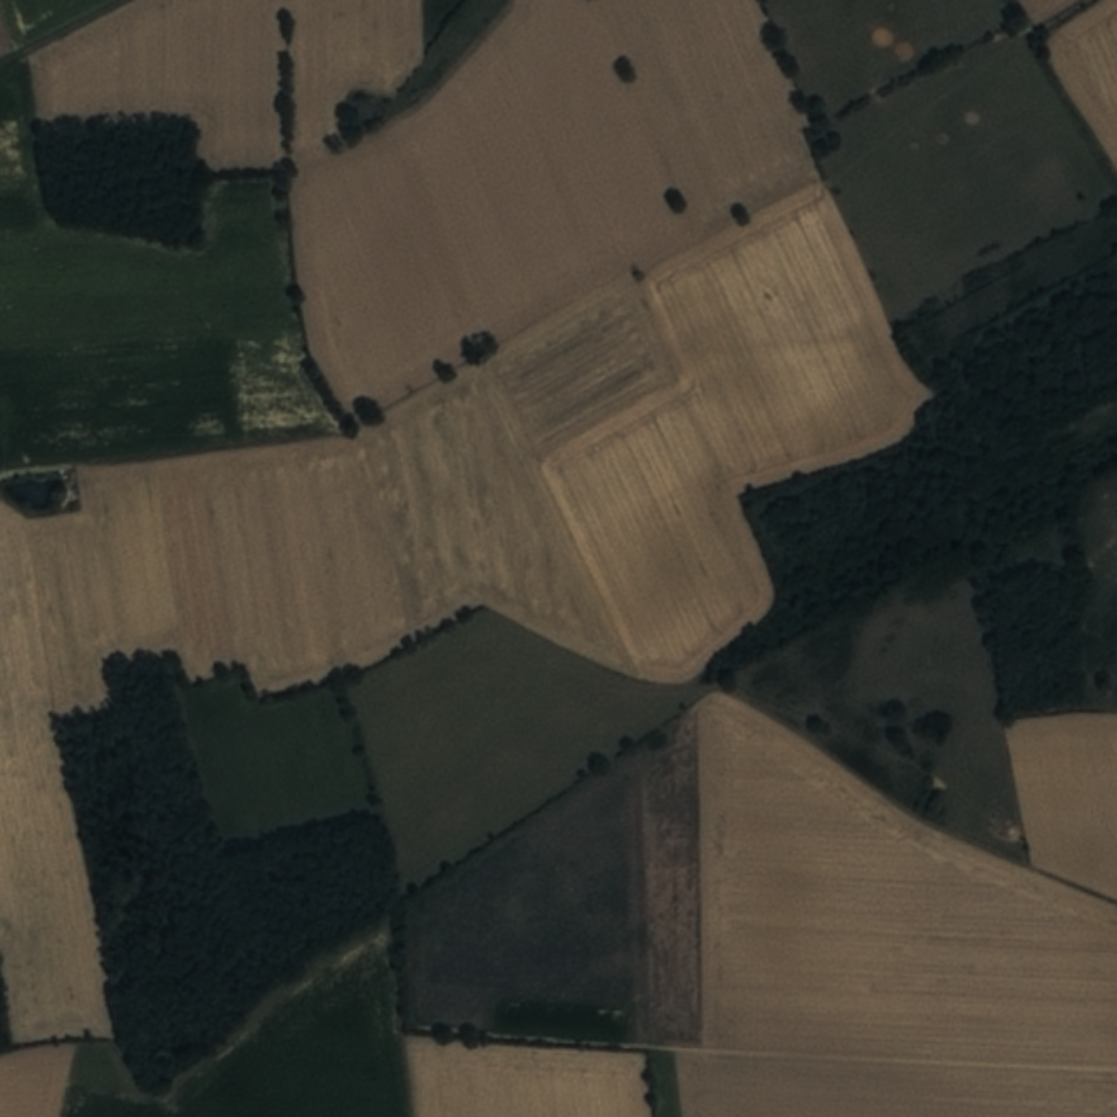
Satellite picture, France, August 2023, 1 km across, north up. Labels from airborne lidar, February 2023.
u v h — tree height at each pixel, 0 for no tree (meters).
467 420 0
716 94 0
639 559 0
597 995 0
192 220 15
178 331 0
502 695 0
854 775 0
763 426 0
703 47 0
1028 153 0
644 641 0
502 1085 0
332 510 0
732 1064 0
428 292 0
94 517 0
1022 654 14
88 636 0
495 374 0
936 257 0
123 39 0
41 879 0
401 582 0
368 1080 0
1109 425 0
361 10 0
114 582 0
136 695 13
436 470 0
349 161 0
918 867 0
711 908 0
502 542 0
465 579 0
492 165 0
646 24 0
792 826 0
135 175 18
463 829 0
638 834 0
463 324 0
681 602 0
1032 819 0
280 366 0
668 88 0
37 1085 0
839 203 0
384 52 0
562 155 0
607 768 9
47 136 15
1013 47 0
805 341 0
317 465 0
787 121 0
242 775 0
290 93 12
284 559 0
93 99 0
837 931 0
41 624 0
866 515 8
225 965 24
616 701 0
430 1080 0
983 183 0
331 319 0
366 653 0
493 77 0
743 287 0
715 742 0
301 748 0
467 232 0
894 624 0
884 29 0
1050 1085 0
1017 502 7
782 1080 0
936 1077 0
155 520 0
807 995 0
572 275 0
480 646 0
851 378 0
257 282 0
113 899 23
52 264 0
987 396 17
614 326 0
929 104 0
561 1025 0
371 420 18
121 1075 0
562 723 0
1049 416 15
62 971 0
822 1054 0
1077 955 0
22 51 0
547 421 0
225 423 0
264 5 0
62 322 0
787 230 0
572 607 0
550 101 0
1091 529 0
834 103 0
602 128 0
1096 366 15
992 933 0
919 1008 0
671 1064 0
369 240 0
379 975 0
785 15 0
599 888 0
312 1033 0
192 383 0
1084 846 0
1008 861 0
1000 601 11
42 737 0
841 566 8
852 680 0
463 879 0
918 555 12
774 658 0
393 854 16
